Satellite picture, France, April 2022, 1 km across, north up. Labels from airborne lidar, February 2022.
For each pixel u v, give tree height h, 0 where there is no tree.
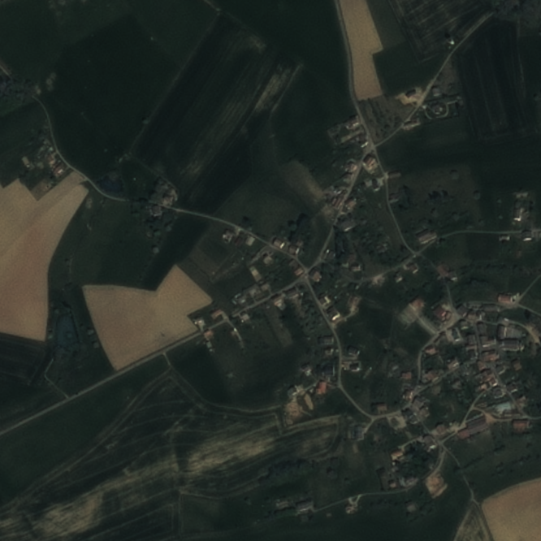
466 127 0
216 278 0
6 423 0
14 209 0
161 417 0
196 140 0
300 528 0
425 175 0
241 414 0
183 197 0
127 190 0
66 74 0
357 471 0
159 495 0
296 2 0
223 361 0
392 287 0
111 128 0
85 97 0
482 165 0
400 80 0
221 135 0
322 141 0
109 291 0
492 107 0
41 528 0
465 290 0
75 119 0
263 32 0
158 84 0
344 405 0
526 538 0
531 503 0
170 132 0
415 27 0
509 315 0
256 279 0
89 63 0
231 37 0
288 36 0
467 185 0
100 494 0
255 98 0
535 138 0
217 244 0
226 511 0
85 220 0
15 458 0
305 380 12
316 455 0
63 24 0
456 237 0
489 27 0
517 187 0
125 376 0
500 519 0
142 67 0
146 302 0
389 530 0
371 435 0
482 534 0
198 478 0
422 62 0
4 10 0
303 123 0
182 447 0
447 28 0
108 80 0
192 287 0
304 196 0
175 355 0
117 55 0
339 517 0
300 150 0
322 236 0
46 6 0
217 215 0
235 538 0
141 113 0
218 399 0
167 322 0
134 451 0
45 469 0
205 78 0
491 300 0
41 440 0
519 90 0
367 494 0
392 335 0
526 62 0
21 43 0
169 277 0
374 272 0
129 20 0
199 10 0
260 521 0
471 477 0
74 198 0
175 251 0
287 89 0
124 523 0
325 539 0
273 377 0
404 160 0
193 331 0
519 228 0
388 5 0
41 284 0
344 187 0
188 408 0
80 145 0
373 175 0
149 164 0
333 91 0
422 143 0
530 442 0
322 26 0
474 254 0
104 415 0
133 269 0
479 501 0
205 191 0
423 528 0
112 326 0
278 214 0
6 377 0
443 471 0
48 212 0
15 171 0
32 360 0
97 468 0
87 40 0
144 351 0
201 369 0
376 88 0
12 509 0
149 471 0
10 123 0
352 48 0
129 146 0
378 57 0
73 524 0
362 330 0
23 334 0
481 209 0
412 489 0
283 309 0
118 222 0
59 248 0
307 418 0
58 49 0
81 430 0
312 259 0
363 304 0
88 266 0
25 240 0
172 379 0
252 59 0
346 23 0
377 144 0
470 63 0
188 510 0
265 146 0
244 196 0
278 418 0
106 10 0
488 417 0
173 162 0
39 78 0
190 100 0
